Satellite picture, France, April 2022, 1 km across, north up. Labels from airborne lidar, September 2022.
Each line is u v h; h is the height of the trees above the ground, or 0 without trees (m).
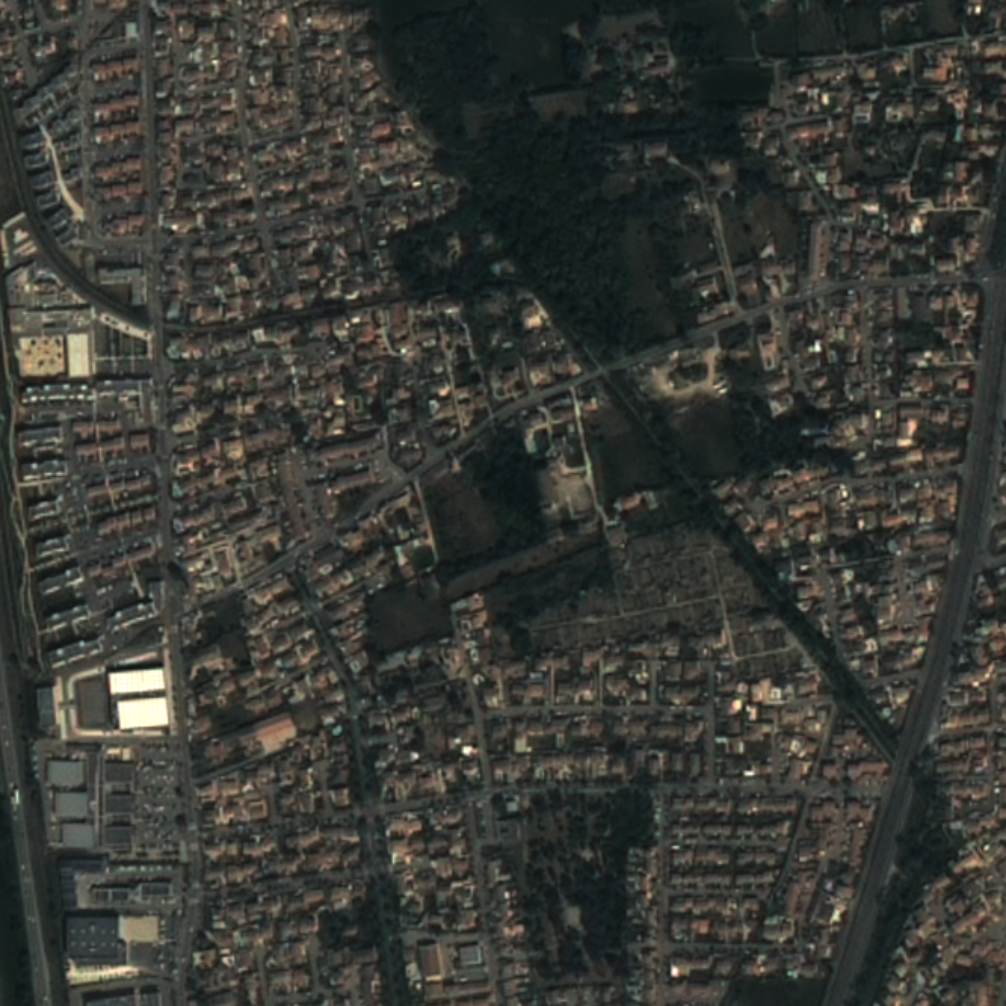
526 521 9
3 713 0
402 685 14
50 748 0
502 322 6
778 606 12
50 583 0
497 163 9
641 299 0
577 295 11
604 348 13
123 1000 0
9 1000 0
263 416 12
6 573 0
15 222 0
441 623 0
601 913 12
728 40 0
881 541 12
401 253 13
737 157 14
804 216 6
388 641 0
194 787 0
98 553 0
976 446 0
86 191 0
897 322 7
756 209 0
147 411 0
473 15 9
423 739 13
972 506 0
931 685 0
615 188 0
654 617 0
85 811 0
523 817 9
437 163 13
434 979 0
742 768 10
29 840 0
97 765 0
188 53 0
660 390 0
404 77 5
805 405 8
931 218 6
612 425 0
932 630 6
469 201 16
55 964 0
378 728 7
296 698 0
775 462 6
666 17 15
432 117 11
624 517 8
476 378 7
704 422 0
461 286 13
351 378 9
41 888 0
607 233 14
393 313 0
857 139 6
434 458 0
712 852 0
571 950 12
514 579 11
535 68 0
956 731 0
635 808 11
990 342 0
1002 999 7
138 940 0
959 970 11
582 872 8
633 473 0
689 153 10
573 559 6
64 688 0
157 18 7
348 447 0
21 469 0
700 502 13
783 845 0
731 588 0
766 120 6
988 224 0
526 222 18
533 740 0
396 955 9
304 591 7
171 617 0
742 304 9
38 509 0
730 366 11
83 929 0
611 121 14
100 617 0
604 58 13
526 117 17
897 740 6
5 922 0
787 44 0
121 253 0
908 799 0
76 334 0
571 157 14
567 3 0
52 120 0
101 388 0
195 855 0
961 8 7
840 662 11
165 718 0
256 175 0
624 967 9
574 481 0
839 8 15
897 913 12
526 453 6
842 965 0
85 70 0
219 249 0
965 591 0
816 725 5
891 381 6
